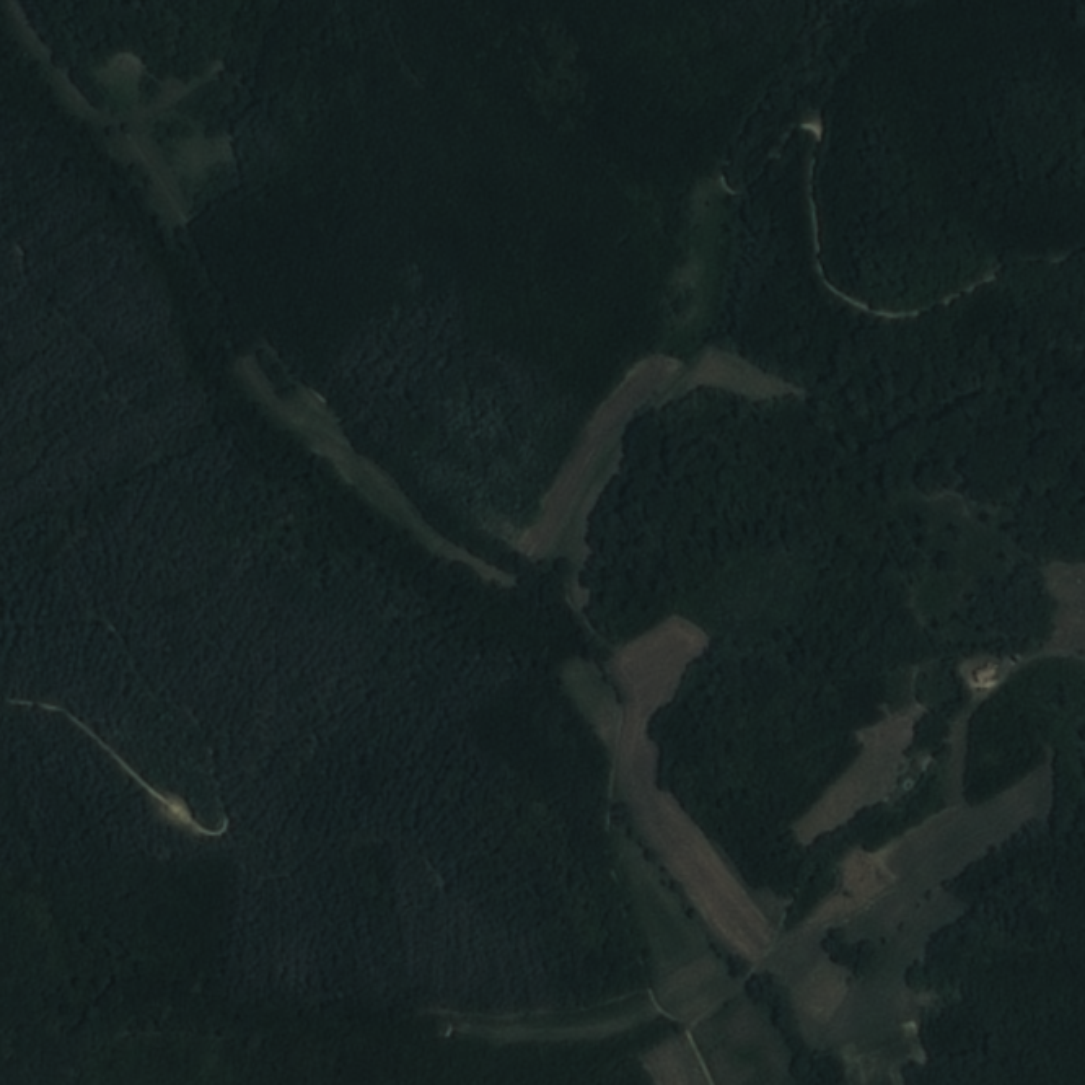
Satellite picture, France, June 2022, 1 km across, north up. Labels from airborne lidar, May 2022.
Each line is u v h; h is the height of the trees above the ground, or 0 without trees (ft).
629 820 91
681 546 36
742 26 52
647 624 30
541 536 0
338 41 36
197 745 46
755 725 34
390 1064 22
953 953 55
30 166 71
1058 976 37
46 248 72
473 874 84
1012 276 53
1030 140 59
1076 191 34
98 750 60
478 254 62
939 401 19
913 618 64
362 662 52
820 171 27
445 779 83
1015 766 31
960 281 55
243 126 56
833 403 27
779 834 28
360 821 80
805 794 18
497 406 60
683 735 51
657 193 53
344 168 61
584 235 52
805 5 32
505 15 46
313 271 62
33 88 36
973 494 70
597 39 48
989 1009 62
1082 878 39
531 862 82
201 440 63
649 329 43
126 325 62
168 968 30
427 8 51
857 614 20
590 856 57
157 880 52
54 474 58
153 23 66
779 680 67
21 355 69
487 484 50
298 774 70
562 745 64
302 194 54
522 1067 22
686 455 67
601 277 56
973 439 79
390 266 54
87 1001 26
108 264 70
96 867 55
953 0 32
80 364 51
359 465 0
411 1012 65
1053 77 32
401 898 65
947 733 51
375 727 82
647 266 46
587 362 60
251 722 53
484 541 45
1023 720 32
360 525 32
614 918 72
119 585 53
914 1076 53
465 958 61
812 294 41
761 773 40
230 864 42
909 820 52
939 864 0
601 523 54
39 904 67
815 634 21
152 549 63
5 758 63
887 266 66
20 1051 70
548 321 50
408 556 31
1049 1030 43
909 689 0
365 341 66
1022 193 42
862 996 0
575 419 58
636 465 51
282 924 54
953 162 29
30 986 51
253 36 34
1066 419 89
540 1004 71
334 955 75
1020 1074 43
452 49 59
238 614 70
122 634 46
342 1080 32
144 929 43
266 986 62
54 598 76
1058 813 50
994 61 26
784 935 0
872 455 96
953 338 23
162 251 27
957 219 26
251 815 75
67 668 73
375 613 68
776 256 75
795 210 38
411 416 73
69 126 37
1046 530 51
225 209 52
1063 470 29
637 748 0
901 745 0
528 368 65
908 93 19
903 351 77
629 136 62
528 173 52
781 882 30
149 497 78
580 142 62
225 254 58
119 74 0
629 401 0
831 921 0
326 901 98
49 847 64
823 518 21
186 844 47
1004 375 80
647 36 41
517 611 38
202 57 36
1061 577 0
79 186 69
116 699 75
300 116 33
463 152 50
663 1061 0
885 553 27
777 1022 55
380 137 62
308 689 57
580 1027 0
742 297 84
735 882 0
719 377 0
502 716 63
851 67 35
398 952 70
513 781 46
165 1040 20
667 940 0
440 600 36
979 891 44
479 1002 54
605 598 64
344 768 77
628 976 52
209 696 55
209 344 41
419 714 76
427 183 54
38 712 53
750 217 79
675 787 51
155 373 65
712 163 49
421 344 70
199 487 65
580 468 0
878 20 36
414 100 40
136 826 68
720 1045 0
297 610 70
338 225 58
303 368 60
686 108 44
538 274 54
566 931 63
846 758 25
